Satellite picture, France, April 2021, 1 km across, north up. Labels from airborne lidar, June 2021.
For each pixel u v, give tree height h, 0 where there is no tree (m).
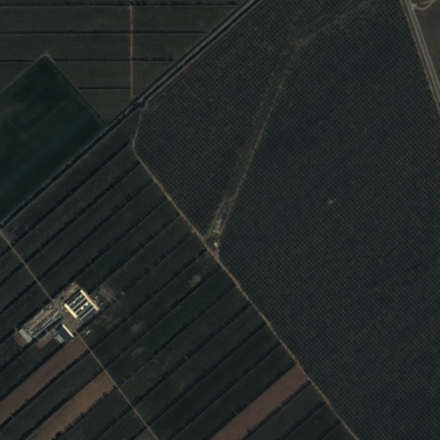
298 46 0
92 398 0
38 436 0
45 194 0
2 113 0
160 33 10
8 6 12
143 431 11
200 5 16
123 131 0
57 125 0
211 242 0
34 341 15
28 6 14
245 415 0
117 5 13
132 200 22
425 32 0
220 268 14
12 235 0
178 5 13
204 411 18
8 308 11
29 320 12
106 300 0
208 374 21
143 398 12
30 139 0
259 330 17
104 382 0
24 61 8
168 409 17
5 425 10
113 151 0
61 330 0
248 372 17
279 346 15
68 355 0
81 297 0
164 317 19
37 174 0
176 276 19
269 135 7
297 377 0
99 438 19
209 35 0
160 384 13
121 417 15
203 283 10
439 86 0
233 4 15
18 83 0
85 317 0
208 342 18
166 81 7
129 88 10
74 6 15
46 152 0
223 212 0
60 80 0
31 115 0
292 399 13
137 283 20
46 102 0
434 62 0
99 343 16
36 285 12
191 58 9
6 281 12
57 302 0
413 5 0
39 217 0
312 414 16
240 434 0
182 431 16
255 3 9
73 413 0
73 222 11
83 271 13
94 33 9
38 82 0
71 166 11
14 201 0
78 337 0
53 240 12
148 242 16
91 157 0
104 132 0
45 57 0
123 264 21
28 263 14
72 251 10
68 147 0
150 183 13
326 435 16
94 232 11
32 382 0
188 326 15
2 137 0
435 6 0
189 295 11
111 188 12
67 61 11
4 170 0
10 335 12
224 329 18
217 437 0
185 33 10
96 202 11
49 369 0
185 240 17
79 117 0
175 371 16
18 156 0
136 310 14
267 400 0
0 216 0
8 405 0
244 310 16
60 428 0
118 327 14
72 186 0
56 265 11
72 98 0
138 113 0
